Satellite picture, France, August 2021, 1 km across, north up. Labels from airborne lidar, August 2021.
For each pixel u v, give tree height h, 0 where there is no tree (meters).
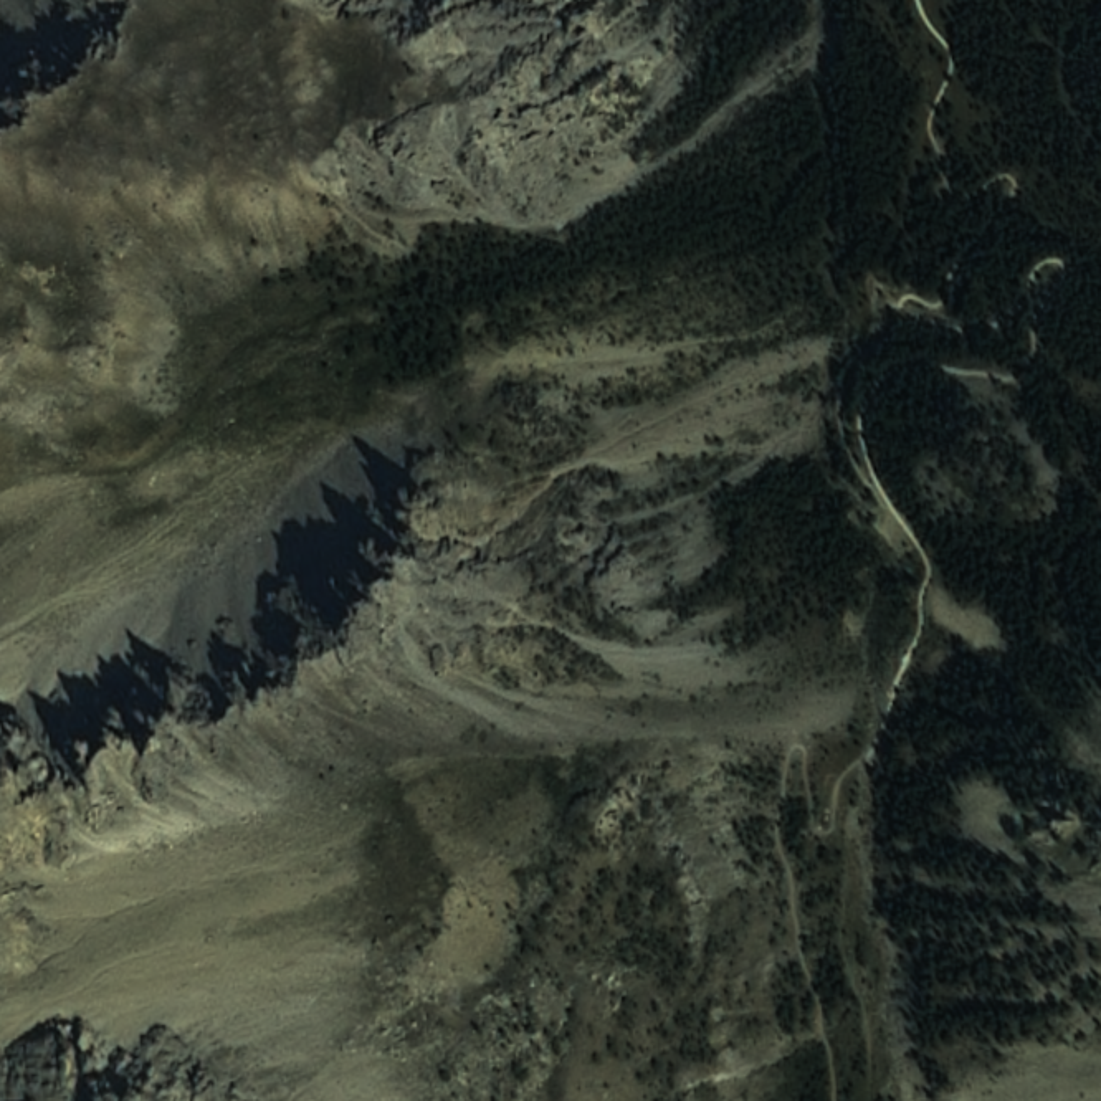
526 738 0
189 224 0
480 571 0
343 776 0
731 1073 0
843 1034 0
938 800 16
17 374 0
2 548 0
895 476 9
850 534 15
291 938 0
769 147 12
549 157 0
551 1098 0
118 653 0
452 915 0
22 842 0
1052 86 21
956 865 15
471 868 0
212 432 0
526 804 0
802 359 0
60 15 0
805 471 17
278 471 0
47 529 0
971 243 14
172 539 0
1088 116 16
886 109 16
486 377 0
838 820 0
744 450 0
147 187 0
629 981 0
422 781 0
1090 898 0
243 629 0
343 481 0
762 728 0
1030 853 0
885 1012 0
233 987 0
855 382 13
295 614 0
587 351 0
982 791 0
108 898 0
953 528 8
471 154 0
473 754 0
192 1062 0
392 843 0
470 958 0
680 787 0
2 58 0
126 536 0
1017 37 19
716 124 0
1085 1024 0
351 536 0
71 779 0
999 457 10
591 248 12
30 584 0
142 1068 0
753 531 9
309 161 0
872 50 17
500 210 0
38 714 0
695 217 12
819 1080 6
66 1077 0
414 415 0
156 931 0
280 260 0
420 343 8
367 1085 0
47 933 0
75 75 0
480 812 0
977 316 8
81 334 0
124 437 0
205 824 0
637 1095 0
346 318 0
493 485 0
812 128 13
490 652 0
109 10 0
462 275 14
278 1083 0
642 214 12
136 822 0
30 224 0
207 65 0
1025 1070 0
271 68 0
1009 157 9
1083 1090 0
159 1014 0
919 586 11
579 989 0
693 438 0
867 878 0
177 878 0
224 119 0
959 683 8
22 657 0
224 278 0
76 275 0
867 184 18
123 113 0
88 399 0
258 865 0
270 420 0
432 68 0
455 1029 0
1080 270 12
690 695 0
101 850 0
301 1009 0
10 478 0
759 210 18
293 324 0
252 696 0
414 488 0
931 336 13
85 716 0
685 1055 10
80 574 0
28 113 0
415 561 0
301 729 0
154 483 0
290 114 0
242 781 0
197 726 0
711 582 8
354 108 0
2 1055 0
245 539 0
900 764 15
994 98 16
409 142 0
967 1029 12
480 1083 0
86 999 0
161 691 0
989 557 10
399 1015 0
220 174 0
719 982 0
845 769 0
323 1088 0
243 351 0
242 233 0
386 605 0
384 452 0
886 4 15
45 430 0
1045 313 9
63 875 0
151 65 0
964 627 0
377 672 0
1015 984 9
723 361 7
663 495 7
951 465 7
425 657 0
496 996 0
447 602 0
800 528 12
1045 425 12
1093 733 0
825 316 7
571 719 0
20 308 0
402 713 0
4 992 0
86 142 0
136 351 0
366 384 0
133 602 0
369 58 0
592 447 0
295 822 0
